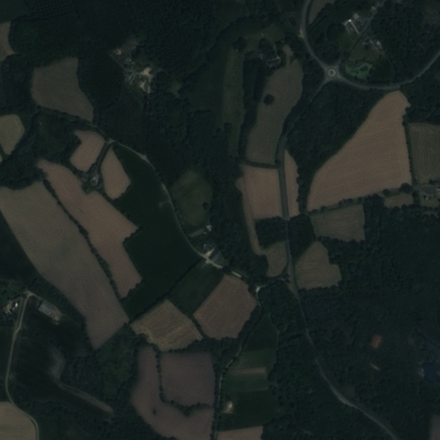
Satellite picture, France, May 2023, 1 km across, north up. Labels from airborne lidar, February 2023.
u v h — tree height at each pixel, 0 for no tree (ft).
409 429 52
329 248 41
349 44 0
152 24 84
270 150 0
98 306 0
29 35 60
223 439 0
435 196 0
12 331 0
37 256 0
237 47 37
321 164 27
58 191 0
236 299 0
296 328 51
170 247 0
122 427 43
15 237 0
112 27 50
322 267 0
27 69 44
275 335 0
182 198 0
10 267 0
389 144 0
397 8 57
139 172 0
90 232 0
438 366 0
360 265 32
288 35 40
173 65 97
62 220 0
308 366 52
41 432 0
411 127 0
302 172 62
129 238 22
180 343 0
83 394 0
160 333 0
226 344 38
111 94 29
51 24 60
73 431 0
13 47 31
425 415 43
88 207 0
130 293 30
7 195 0
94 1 48
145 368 0
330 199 0
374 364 25
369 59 0
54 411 73
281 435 41
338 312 57
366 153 0
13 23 47
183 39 59
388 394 44
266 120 0
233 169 55
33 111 35
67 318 0
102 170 0
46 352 0
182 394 0
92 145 0
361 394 32
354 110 45
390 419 56
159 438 47
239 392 0
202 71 59
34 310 0
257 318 47
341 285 53
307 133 46
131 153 0
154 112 29
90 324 0
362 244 50
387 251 38
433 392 25
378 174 0
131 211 0
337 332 21
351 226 0
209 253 0
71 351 0
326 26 0
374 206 66
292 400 0
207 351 27
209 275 0
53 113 45
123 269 0
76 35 55
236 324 0
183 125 20
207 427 0
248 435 0
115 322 0
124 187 0
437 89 40
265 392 0
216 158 50
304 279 0
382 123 0
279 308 74
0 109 30
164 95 87
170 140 67
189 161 80
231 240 59
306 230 56
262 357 0
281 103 0
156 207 0
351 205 56
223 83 0
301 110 71
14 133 0
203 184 0
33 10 52
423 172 0
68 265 0
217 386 27
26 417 0
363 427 51
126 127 33
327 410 64
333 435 22
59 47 62
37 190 0
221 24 0
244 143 54
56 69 0
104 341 0
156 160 32
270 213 0
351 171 0
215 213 51
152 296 0
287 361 42
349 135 42
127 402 36
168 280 0
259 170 0
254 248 0
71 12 91
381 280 28
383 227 42
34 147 38
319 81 22
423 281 47
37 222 0
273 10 57
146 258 0
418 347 21
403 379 37
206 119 62
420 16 54
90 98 43
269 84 0
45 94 0
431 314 20
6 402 0
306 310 58
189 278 0
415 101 28
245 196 0
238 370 0
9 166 34
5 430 0
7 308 0
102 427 37
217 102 0
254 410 0
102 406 0
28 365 0
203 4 73
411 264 47
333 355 29
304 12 0
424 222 67
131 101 30
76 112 0
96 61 29
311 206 0
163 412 0
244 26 53
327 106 39
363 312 24
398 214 59
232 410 0
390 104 0
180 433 0
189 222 0
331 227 0
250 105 50
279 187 0
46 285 36
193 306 0
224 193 48
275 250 0
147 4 121
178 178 29
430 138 0
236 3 0
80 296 0
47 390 0
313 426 42
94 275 0
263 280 33
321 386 51
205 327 0
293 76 0
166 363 0
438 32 42
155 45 82
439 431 0
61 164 41
